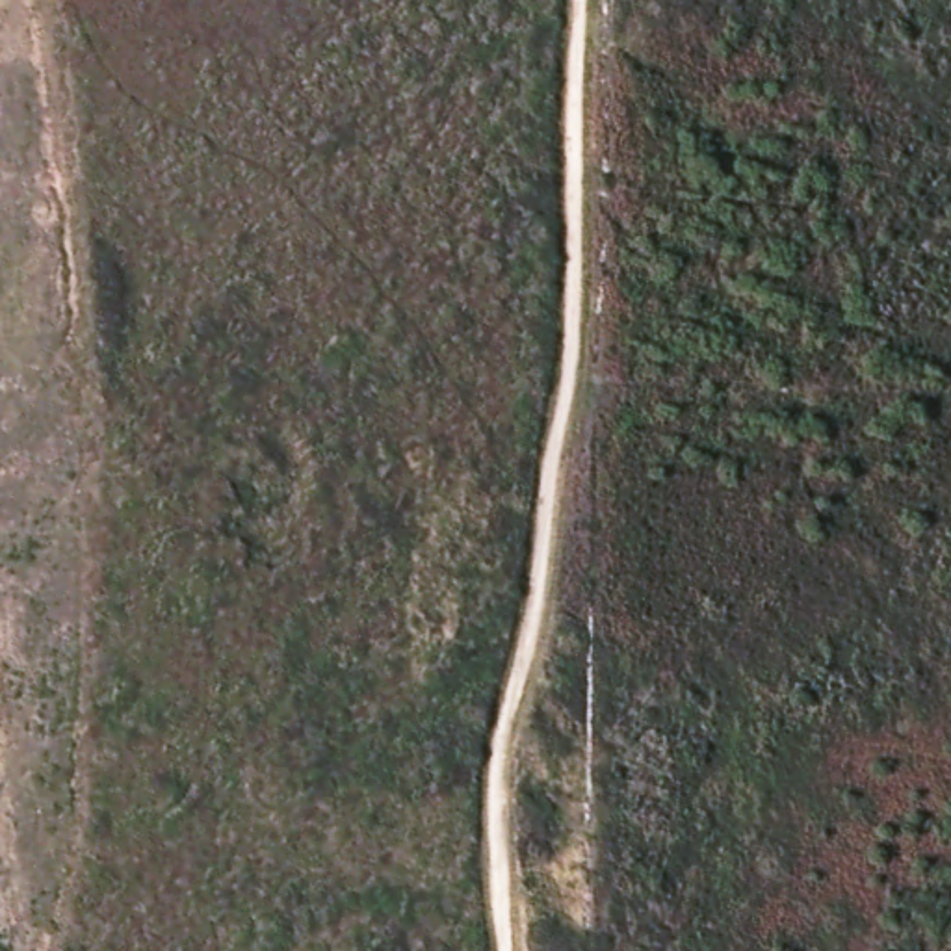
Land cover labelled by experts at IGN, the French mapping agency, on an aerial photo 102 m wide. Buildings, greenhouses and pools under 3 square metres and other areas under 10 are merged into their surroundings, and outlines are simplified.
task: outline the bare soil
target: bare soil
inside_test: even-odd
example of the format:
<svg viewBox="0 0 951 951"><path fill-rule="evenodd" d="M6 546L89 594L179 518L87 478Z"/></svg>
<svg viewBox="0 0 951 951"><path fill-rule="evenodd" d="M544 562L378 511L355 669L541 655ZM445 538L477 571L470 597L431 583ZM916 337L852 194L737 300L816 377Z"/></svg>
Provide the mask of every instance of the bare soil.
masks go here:
<svg viewBox="0 0 951 951"><path fill-rule="evenodd" d="M535 687L546 687L546 669L539 658L554 658L568 639L554 628L554 609L546 606L524 691L531 695Z"/></svg>
<svg viewBox="0 0 951 951"><path fill-rule="evenodd" d="M613 52L613 0L587 0L583 59Z"/></svg>
<svg viewBox="0 0 951 951"><path fill-rule="evenodd" d="M85 877L93 776L115 762L111 747L93 747L89 736L89 695L100 676L100 646L93 639L89 617L100 602L108 516L126 505L126 479L141 479L149 472L123 457L119 435L104 427L104 371L97 364L97 353L104 349L104 334L97 331L85 212L74 208L71 197L71 186L82 178L82 115L74 56L82 48L82 37L78 26L63 15L63 0L0 0L0 951L104 951L111 940L111 921L74 914L74 895Z"/></svg>
<svg viewBox="0 0 951 951"><path fill-rule="evenodd" d="M509 732L509 795L524 780L542 780L550 769L539 739L528 732L531 713L520 710Z"/></svg>

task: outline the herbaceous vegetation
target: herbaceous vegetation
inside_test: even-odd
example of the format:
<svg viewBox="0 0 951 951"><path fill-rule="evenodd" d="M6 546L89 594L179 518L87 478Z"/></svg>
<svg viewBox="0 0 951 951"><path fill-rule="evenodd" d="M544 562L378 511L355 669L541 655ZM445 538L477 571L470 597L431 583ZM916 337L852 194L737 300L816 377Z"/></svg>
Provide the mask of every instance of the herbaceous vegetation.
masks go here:
<svg viewBox="0 0 951 951"><path fill-rule="evenodd" d="M71 197L74 208L85 212L97 331L104 334L104 349L97 353L97 364L104 371L104 427L119 435L123 457L149 472L141 479L126 479L126 505L108 516L100 602L89 617L93 639L100 646L100 676L89 695L89 736L93 747L111 747L115 762L93 776L85 877L74 895L74 914L111 921L111 940L104 951L498 951L487 884L487 765L528 594L513 587L509 572L502 568L502 546L483 542L490 516L498 509L524 513L535 524L542 449L561 379L568 260L565 249L557 253L554 241L546 241L546 227L524 204L524 193L539 182L539 175L554 175L565 186L568 0L63 0L63 15L78 26L82 37L82 48L74 56L82 115L82 178L71 186Z"/></svg>
<svg viewBox="0 0 951 951"><path fill-rule="evenodd" d="M951 951L951 0L613 0L613 52L583 59L580 368L568 435L561 449L546 606L554 609L554 628L568 639L554 658L539 658L546 669L546 687L535 687L531 695L524 691L520 710L531 713L528 732L539 739L550 769L542 780L524 780L509 795L505 840L509 854L520 866L524 899L531 906L524 951Z"/></svg>

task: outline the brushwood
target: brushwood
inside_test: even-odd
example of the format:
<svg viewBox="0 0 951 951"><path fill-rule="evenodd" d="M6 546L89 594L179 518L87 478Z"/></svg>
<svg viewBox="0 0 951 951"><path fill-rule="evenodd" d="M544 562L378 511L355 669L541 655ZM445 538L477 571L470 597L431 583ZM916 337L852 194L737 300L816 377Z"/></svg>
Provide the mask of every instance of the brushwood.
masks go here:
<svg viewBox="0 0 951 951"><path fill-rule="evenodd" d="M483 542L502 546L502 568L509 572L513 587L528 594L535 524L524 513L498 509L490 516Z"/></svg>
<svg viewBox="0 0 951 951"><path fill-rule="evenodd" d="M565 249L565 186L554 175L539 175L539 182L524 193L524 204L546 227L546 241L554 241L557 253Z"/></svg>

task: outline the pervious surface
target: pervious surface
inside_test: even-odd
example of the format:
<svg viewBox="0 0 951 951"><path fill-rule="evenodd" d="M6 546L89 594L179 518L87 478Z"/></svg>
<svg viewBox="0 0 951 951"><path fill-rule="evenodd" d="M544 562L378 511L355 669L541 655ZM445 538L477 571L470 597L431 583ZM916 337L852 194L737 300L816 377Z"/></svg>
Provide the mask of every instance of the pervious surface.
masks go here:
<svg viewBox="0 0 951 951"><path fill-rule="evenodd" d="M528 594L487 765L487 884L498 951L524 951L531 906L524 899L520 866L509 854L505 840L509 795L509 732L520 710L524 691L546 606L561 449L568 435L580 368L583 59L587 0L568 0L565 186L565 249L568 260L561 379L542 449L535 524Z"/></svg>

